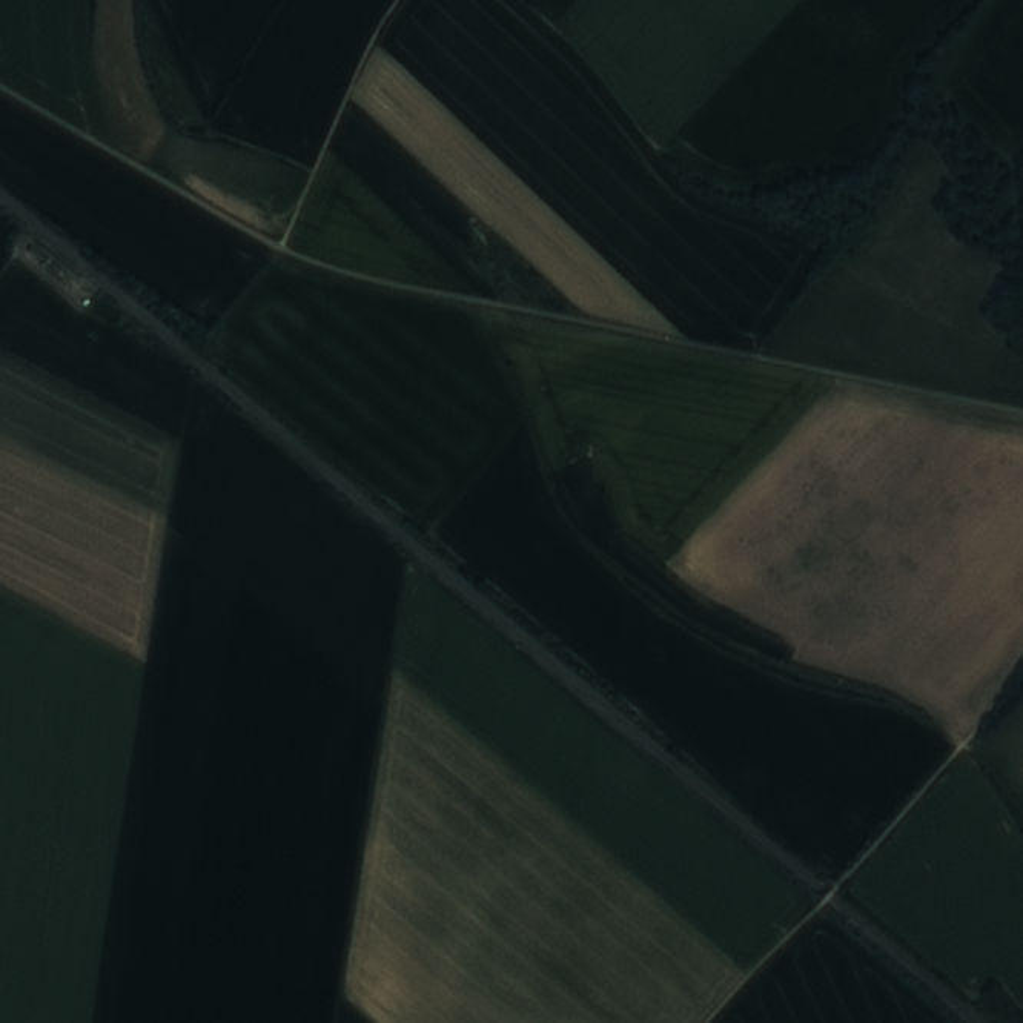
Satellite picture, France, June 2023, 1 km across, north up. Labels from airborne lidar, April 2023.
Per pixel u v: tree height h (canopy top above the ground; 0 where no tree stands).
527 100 0
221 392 9
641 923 0
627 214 0
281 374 0
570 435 0
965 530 0
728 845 0
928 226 0
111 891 0
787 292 0
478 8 0
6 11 0
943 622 0
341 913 0
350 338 0
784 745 0
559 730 0
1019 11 0
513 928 0
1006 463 0
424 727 0
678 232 0
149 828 0
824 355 0
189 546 0
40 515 0
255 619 0
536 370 0
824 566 0
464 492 0
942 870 0
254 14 0
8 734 0
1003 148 0
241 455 0
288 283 0
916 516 0
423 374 0
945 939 0
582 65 0
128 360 0
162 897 0
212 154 0
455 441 0
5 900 0
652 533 0
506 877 0
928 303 0
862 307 0
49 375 0
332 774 0
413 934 0
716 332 0
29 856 0
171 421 0
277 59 0
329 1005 0
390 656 0
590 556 0
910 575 0
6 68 0
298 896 0
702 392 0
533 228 0
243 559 0
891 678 0
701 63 0
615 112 0
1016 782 0
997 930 0
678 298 0
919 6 0
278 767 0
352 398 0
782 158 0
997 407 0
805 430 0
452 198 0
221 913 0
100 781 0
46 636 0
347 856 0
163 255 0
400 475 0
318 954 0
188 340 12
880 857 0
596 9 0
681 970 0
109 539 0
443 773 0
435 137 0
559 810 0
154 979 0
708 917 0
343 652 0
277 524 0
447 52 0
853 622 0
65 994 0
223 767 0
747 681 0
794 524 0
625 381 0
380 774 0
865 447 0
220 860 0
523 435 0
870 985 0
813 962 0
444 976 0
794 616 0
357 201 0
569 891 0
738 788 0
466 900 0
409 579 0
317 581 0
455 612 0
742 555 0
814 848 0
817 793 0
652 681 0
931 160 0
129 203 0
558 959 0
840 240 20
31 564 0
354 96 0
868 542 0
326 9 0
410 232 0
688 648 0
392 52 0
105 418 0
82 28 0
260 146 0
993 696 0
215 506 0
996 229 21
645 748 0
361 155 0
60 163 0
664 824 0
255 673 0
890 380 0
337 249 0
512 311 0
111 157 0
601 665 0
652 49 0
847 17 0
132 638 0
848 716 0
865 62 0
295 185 0
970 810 0
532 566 0
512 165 0
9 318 0
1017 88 0
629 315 0
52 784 0
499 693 0
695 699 0
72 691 0
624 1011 0
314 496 0
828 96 0
